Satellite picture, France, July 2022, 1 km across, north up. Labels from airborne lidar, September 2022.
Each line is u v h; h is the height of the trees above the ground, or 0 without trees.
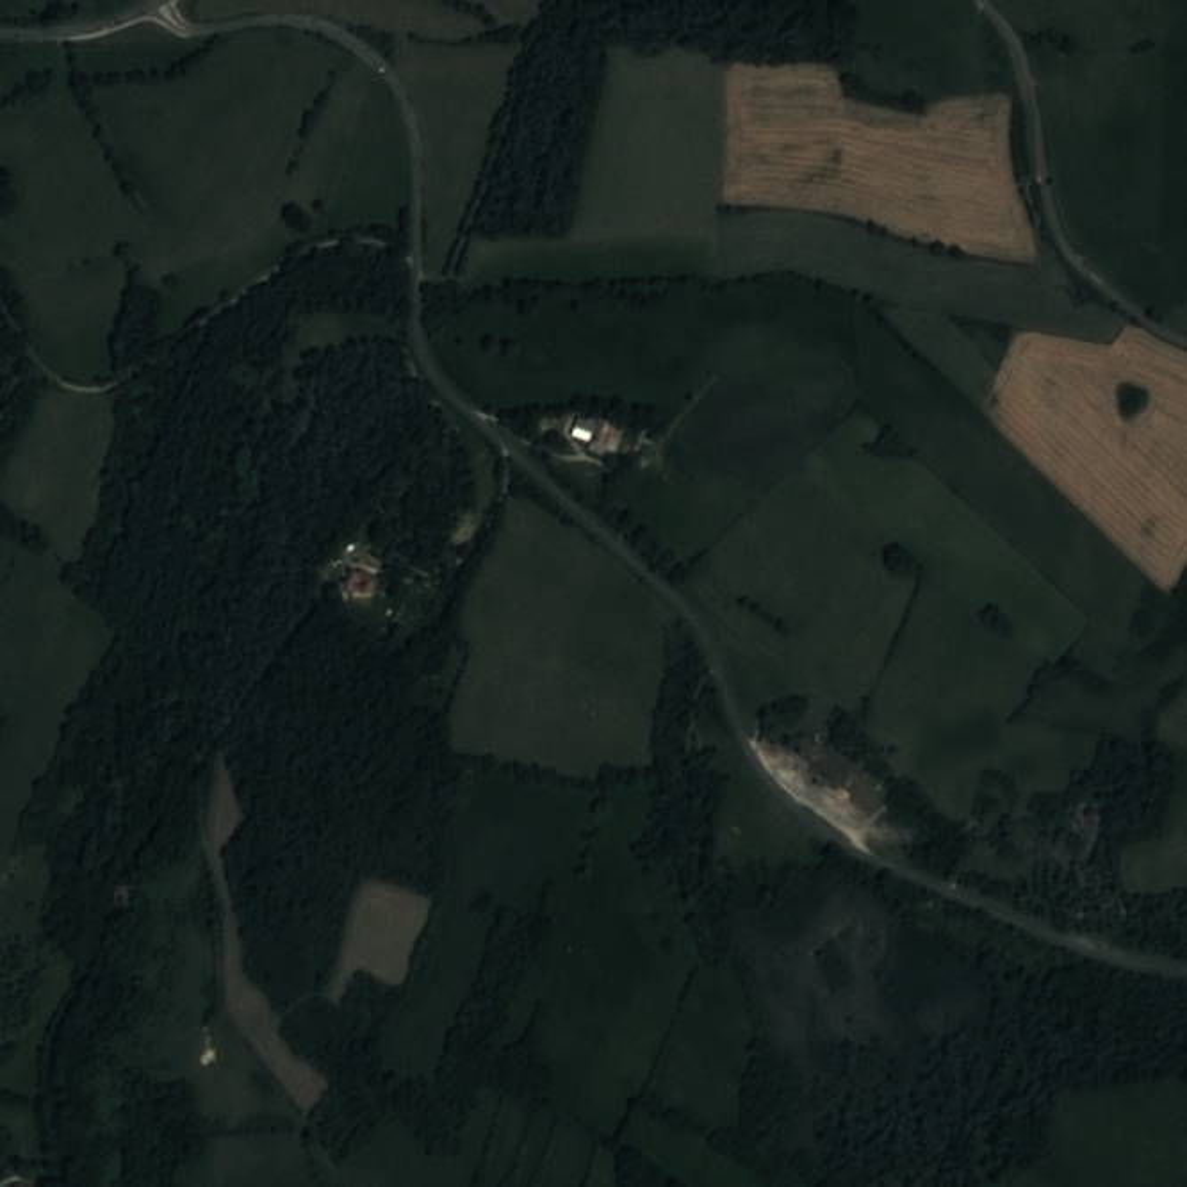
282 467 23
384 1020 6
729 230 0
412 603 0
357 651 13
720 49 20
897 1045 0
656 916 6
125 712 12
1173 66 0
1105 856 10
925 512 0
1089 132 0
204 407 21
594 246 0
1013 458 0
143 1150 8
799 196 0
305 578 20
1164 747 10
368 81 0
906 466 0
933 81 0
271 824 7
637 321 0
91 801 11
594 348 0
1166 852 0
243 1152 0
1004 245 0
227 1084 0
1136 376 0
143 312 24
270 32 0
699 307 0
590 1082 0
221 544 13
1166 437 0
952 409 0
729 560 0
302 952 8
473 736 0
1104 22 0
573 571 0
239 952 0
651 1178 23
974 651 0
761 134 0
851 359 0
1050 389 0
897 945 0
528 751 0
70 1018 18
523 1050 12
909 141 0
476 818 0
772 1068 6
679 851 23
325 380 22
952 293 0
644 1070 0
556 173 21
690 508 0
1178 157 0
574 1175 0
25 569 0
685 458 0
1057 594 0
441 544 17
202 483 20
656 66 0
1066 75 0
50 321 0
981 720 0
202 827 6
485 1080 9
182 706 21
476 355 0
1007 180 0
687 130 0
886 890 19
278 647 16
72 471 0
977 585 0
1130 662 0
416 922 0
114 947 11
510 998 7
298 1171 0
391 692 13
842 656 0
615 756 0
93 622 0
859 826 0
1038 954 7
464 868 0
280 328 15
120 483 9
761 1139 16
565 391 0
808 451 0
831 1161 12
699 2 20
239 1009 0
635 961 0
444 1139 12
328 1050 7
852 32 18
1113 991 18
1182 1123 0
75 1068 9
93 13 0
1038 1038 18
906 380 0
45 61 0
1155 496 0
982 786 0
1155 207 0
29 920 0
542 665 0
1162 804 9
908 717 0
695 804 21
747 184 0
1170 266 0
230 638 22
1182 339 0
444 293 9
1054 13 0
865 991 0
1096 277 0
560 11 15
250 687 19
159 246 0
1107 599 0
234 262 0
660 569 13
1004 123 0
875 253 0
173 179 0
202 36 0
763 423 0
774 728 7
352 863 8
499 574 0
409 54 0
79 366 0
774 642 0
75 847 11
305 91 0
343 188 0
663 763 20
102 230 0
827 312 0
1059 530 0
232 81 0
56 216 0
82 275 0
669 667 15
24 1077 0
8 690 0
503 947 13
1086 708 0
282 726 9
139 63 0
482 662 0
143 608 15
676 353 0
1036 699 7
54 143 0
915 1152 17
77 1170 17
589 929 0
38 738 0
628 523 16
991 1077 11
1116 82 0
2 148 0
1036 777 0
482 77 0
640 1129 0
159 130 0
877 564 0
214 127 0
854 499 0
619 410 17
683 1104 0
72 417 0
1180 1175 0
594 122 20
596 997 0
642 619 0
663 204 0
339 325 0
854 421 0
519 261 0
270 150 0
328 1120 6
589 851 6
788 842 0
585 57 21
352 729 11
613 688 0
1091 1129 0
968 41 0
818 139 0
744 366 0
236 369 25
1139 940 13
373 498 18
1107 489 0
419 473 8
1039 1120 15
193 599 14
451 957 0
